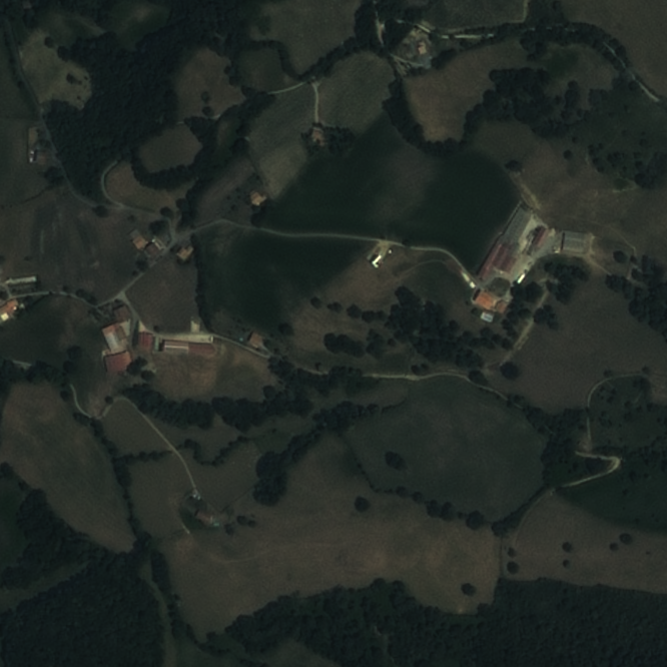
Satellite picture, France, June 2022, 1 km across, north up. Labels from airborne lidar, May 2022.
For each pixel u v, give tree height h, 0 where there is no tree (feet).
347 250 0
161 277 0
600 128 0
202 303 38
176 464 0
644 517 0
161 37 73
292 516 0
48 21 0
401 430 0
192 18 76
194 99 0
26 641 80
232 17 68
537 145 0
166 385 0
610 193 0
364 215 0
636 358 0
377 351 65
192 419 73
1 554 0
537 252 0
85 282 0
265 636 67
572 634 36
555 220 0
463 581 0
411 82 0
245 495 0
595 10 0
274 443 0
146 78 88
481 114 68
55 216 0
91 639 83
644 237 0
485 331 41
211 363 0
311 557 0
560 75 0
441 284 0
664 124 0
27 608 72
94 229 0
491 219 0
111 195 0
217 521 0
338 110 0
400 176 0
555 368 0
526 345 0
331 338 45
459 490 0
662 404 0
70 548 68
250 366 0
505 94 65
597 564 0
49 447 0
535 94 93
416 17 50
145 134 64
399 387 0
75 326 0
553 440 20
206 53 0
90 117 69
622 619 26
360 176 0
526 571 0
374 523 0
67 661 73
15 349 0
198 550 0
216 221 0
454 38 37
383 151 0
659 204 0
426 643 40
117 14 0
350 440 0
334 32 0
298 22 0
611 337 0
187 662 0
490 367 0
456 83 0
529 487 0
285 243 0
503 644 21
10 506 0
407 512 0
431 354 57
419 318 85
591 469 59
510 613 26
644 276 38
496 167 0
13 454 0
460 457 0
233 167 0
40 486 0
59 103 51
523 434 0
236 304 0
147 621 63
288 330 56
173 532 0
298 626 37
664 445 21
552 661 36
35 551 25
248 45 56
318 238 0
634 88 47
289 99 0
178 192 0
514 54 0
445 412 0
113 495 0
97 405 0
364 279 0
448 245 0
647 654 35
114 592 76
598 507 0
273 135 0
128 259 0
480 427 0
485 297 0
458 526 0
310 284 0
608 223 0
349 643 73
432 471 0
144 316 0
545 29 45
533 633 24
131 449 0
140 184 41
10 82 0
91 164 39
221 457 20
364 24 54
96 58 74
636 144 0
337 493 0
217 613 0
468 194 0
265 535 0
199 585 0
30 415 0
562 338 0
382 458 0
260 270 0
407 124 59
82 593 81
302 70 0
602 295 0
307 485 0
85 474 0
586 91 0
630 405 24
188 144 0
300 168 0
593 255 0
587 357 0
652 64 0
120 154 20
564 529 0
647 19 0
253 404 35
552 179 0
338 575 0
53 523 52
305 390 56
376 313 42
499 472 0
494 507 0
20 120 0
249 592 0
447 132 0
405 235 0
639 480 43
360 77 0
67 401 63
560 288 61
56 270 0
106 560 81
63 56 67
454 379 0
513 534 0
